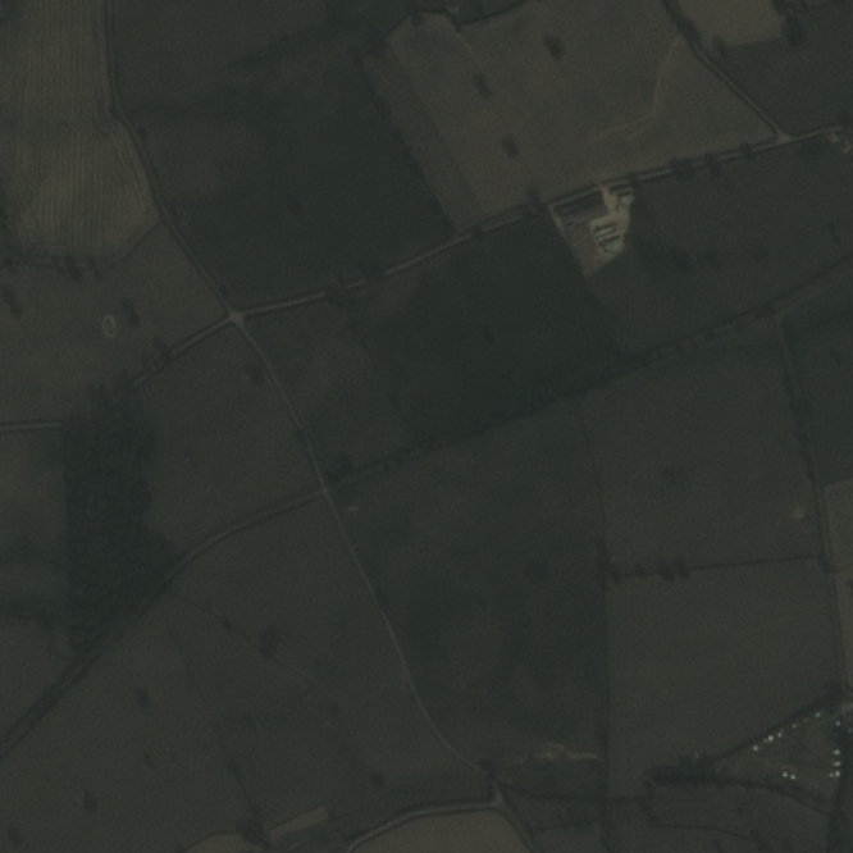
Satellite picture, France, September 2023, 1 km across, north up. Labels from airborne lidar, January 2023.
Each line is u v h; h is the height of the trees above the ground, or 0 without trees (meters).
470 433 9
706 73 0
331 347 0
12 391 0
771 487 0
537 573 17
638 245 0
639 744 0
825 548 0
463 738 0
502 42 0
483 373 0
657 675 0
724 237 0
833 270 0
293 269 0
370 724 0
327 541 0
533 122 0
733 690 0
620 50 0
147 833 0
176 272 0
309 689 0
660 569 9
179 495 0
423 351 0
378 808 0
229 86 0
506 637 0
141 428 34
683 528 0
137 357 0
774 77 0
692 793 0
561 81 0
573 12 0
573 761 0
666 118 0
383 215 0
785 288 0
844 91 0
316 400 0
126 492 9
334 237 0
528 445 0
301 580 0
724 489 0
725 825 0
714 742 0
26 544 0
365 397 0
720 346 0
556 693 0
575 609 0
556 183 0
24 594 0
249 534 0
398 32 0
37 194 0
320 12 0
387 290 0
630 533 0
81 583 14
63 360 0
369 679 0
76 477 11
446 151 0
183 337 0
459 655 0
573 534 0
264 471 0
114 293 0
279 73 0
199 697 0
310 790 0
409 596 0
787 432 0
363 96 0
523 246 0
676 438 0
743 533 0
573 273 0
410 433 0
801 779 0
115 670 0
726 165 0
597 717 0
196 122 0
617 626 0
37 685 0
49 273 0
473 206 0
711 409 0
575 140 0
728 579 0
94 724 0
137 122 0
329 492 0
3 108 0
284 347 0
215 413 0
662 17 0
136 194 0
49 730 0
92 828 0
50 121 0
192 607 0
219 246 0
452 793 0
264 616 0
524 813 0
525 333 0
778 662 0
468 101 0
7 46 0
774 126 0
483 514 0
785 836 0
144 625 0
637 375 0
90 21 0
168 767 0
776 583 0
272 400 0
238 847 0
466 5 0
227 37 0
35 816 0
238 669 0
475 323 0
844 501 0
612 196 0
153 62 0
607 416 0
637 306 0
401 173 0
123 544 16
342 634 0
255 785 0
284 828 0
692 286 0
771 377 0
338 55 0
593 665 0
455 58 0
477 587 0
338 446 0
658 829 0
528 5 0
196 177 0
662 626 0
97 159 0
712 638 0
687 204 0
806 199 0
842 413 0
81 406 0
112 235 0
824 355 0
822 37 0
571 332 0
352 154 0
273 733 0
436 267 0
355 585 0
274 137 0
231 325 0
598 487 0
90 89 0
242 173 0
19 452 0
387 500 0
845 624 0
